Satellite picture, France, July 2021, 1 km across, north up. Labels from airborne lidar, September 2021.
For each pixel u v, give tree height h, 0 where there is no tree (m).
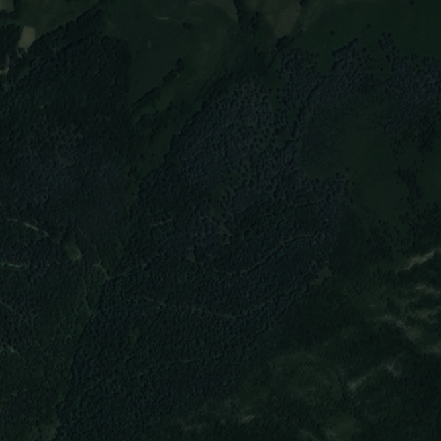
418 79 15
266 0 0
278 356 8
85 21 20
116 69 28
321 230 17
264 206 17
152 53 0
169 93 0
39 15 0
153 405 21
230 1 0
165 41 0
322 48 0
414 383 17
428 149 9
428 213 7
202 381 15
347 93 9
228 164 16
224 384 14
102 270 15
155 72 0
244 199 20
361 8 0
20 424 10
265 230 15
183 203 14
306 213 21
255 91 11
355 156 0
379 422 13
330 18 0
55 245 22
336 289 15
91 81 24
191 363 17
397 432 10
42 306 15
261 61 10
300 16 0
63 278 18
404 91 9
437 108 8
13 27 19
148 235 17
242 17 14
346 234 15
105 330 21
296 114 0
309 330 15
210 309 17
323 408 13
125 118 19
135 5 0
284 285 21
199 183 10
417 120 6
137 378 19
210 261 14
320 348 10
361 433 6
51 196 17
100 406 18
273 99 0
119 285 20
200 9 0
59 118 17
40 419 15
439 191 0
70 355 20
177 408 8
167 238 20
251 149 19
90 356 17
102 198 21
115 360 11
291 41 8
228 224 18
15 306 14
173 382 14
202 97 8
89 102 20
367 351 12
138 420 10
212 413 6
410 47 0
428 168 0
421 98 14
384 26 0
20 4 23
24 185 16
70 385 17
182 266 15
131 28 0
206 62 0
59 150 13
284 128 13
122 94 23
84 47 23
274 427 7
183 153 24
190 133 22
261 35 0
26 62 25
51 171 20
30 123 14
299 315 12
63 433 12
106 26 0
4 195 19
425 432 12
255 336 14
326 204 14
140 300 9
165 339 11
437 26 0
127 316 10
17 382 14
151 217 12
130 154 16
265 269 18
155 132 19
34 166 19
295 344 10
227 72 7
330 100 9
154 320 14
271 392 11
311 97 19
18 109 21
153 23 0
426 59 11
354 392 6
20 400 12
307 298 14
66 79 25
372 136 0
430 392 17
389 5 0
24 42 0
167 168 11
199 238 16
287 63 9
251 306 18
